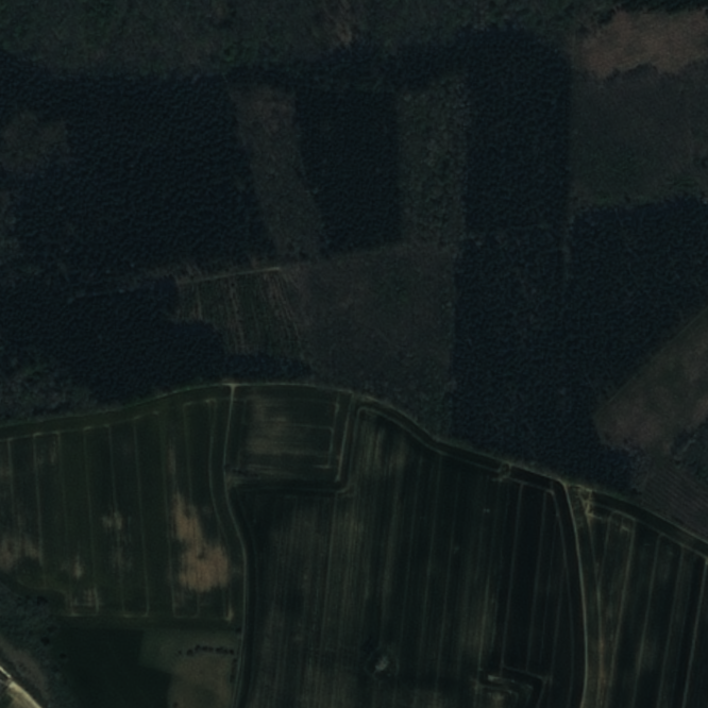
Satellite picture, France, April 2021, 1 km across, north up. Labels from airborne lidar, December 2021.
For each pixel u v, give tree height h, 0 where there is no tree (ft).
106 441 0
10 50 70
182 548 0
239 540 0
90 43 67
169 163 104
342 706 0
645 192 66
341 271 51
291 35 95
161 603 0
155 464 0
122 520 0
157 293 104
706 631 0
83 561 0
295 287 49
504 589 0
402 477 0
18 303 80
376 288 50
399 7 89
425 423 66
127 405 44
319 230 52
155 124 105
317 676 0
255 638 0
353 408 0
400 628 0
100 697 0
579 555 0
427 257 43
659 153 62
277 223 66
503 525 0
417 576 0
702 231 93
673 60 0
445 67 86
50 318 96
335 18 94
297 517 0
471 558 0
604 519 0
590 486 50
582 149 67
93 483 0
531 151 107
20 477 0
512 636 0
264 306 18
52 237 104
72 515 0
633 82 56
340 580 0
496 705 0
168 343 94
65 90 111
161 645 0
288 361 26
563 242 89
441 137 71
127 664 0
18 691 0
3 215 66
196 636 0
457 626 0
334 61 80
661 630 0
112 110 99
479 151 100
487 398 98
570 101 125
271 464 0
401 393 51
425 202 56
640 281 92
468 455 0
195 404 0
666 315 97
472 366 92
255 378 73
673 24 0
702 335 0
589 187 61
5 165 77
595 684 0
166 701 0
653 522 0
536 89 100
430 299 44
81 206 108
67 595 0
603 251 93
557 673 0
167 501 0
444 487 0
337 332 49
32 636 42
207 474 0
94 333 102
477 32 57
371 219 72
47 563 0
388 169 81
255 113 61
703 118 58
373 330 44
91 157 75
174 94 105
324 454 0
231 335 19
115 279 72
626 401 0
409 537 0
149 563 0
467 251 62
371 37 66
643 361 79
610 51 0
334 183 74
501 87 120
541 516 0
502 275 88
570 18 86
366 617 0
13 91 95
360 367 51
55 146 59
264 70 111
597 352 97
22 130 63
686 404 0
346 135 95
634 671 0
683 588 0
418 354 44
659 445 0
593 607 0
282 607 0
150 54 59
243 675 0
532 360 88
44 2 91
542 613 0
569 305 68
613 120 63
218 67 76
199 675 0
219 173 99
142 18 67
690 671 0
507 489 0
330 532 0
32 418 56
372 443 0
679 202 31
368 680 0
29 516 0
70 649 0
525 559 0
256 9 81
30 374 43
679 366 0
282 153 70
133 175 97
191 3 94
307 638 0
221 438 0
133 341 97
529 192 114
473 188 111
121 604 0
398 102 77
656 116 62
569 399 86
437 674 0
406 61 108
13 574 0
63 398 68
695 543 0
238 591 0
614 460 87
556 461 84
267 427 0
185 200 79
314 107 90
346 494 0
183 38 81
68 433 0
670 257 96
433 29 83
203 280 75
